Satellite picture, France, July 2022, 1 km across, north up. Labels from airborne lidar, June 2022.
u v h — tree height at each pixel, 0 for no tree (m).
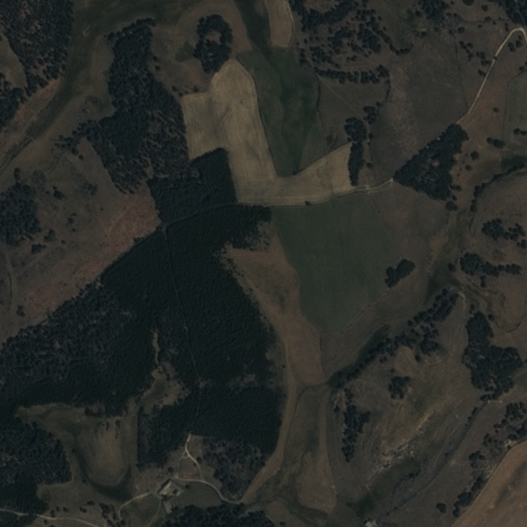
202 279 10
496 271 14
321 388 0
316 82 0
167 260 11
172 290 11
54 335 18
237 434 10
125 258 11
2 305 0
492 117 0
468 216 0
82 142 0
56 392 6
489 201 0
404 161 0
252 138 0
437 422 0
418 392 0
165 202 18
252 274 0
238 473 0
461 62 0
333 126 0
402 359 0
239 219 11
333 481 0
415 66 0
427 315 12
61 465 16
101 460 0
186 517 13
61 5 23
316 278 0
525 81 0
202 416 10
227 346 11
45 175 0
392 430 0
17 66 0
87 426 0
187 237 11
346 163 0
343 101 0
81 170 0
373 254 0
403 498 0
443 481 0
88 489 0
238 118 0
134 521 0
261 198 0
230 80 0
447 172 18
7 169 0
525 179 0
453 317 0
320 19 16
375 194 0
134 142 24
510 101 0
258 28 0
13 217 7
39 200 0
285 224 0
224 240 9
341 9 17
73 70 0
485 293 0
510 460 0
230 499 6
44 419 0
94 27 0
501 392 13
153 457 7
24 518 10
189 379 9
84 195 0
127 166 21
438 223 0
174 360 8
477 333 16
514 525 0
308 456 0
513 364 15
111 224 0
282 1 0
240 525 12
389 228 0
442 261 0
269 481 0
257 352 8
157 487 0
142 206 0
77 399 7
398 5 0
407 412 0
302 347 0
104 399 8
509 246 0
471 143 0
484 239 0
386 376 0
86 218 0
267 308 0
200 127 0
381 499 0
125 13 0
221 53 20
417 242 0
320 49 11
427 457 0
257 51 0
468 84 0
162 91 19
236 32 0
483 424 0
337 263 0
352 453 13
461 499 11
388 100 0
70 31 23
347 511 0
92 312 15
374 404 0
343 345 0
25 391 11
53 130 0
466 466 0
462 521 0
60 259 0
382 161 0
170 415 9
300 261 0
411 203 0
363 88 0
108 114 0
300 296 0
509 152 0
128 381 9
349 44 10
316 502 0
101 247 0
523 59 0
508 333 0
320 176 0
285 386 0
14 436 14
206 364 12
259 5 0
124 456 0
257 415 7
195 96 0
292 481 0
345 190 0
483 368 22
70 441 0
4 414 12
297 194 0
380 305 0
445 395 0
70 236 0
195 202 18
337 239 0
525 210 0
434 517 0
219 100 0
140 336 12
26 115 0
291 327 0
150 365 11
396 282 14
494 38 0
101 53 0
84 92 0
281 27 0
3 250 0
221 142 0
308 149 0
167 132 18
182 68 0
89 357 20
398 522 0
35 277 0
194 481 0
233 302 13
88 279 0
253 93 0
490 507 0
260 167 0
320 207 0
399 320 0
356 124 13
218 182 22
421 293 0
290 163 0
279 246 0
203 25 14
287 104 0
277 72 0
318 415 0
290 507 0
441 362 0
